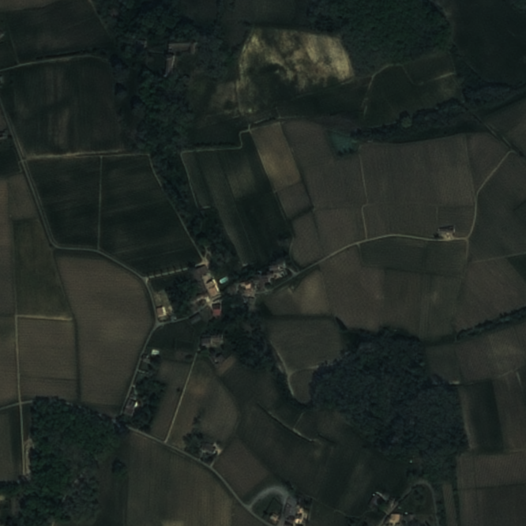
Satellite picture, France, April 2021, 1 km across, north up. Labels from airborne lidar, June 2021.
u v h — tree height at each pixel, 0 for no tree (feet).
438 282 0
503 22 0
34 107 0
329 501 0
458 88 0
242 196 0
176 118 74
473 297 0
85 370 0
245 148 0
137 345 0
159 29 73
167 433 0
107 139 0
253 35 0
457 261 0
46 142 0
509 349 0
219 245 57
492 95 54
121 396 0
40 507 86
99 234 0
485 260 0
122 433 89
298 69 0
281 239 46
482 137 0
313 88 0
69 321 0
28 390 0
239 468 0
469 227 0
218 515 0
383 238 0
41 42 0
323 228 0
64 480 86
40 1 0
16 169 0
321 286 0
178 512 0
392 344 65
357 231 0
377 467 0
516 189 0
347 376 73
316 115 0
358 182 0
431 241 0
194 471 0
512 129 0
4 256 0
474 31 0
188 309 32
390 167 0
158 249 0
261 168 0
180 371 0
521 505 0
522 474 0
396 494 0
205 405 0
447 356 0
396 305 0
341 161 0
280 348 0
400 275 0
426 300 0
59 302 0
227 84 0
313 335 0
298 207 0
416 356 52
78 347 0
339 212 0
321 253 0
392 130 42
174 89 63
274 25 0
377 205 0
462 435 64
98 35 0
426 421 58
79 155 0
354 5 80
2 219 0
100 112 0
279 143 0
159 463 0
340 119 0
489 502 0
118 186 0
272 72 0
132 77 0
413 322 0
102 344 0
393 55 59
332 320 0
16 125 0
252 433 0
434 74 0
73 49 0
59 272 0
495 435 0
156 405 41
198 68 48
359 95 0
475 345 0
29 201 0
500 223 0
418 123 64
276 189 0
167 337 0
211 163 0
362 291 0
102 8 45
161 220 0
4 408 0
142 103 63
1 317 0
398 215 0
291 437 0
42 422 75
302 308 0
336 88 0
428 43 89
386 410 75
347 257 0
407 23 94
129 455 0
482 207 0
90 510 111
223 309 21
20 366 0
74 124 0
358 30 75
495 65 0
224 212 0
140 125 22
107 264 0
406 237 0
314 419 0
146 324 0
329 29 29
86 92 0
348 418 69
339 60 0
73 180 0
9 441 0
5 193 0
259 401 0
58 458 84
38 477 82
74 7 0
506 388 0
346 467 0
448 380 0
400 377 83
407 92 0
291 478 0
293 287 0
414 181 0
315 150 0
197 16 0
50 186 0
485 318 0
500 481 0
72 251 0
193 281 35
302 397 0
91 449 98
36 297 0
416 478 43
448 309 0
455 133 0
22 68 0
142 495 0
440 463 47
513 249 0
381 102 0
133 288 0
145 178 0
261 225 0
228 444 0
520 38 0
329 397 57
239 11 0
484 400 0
